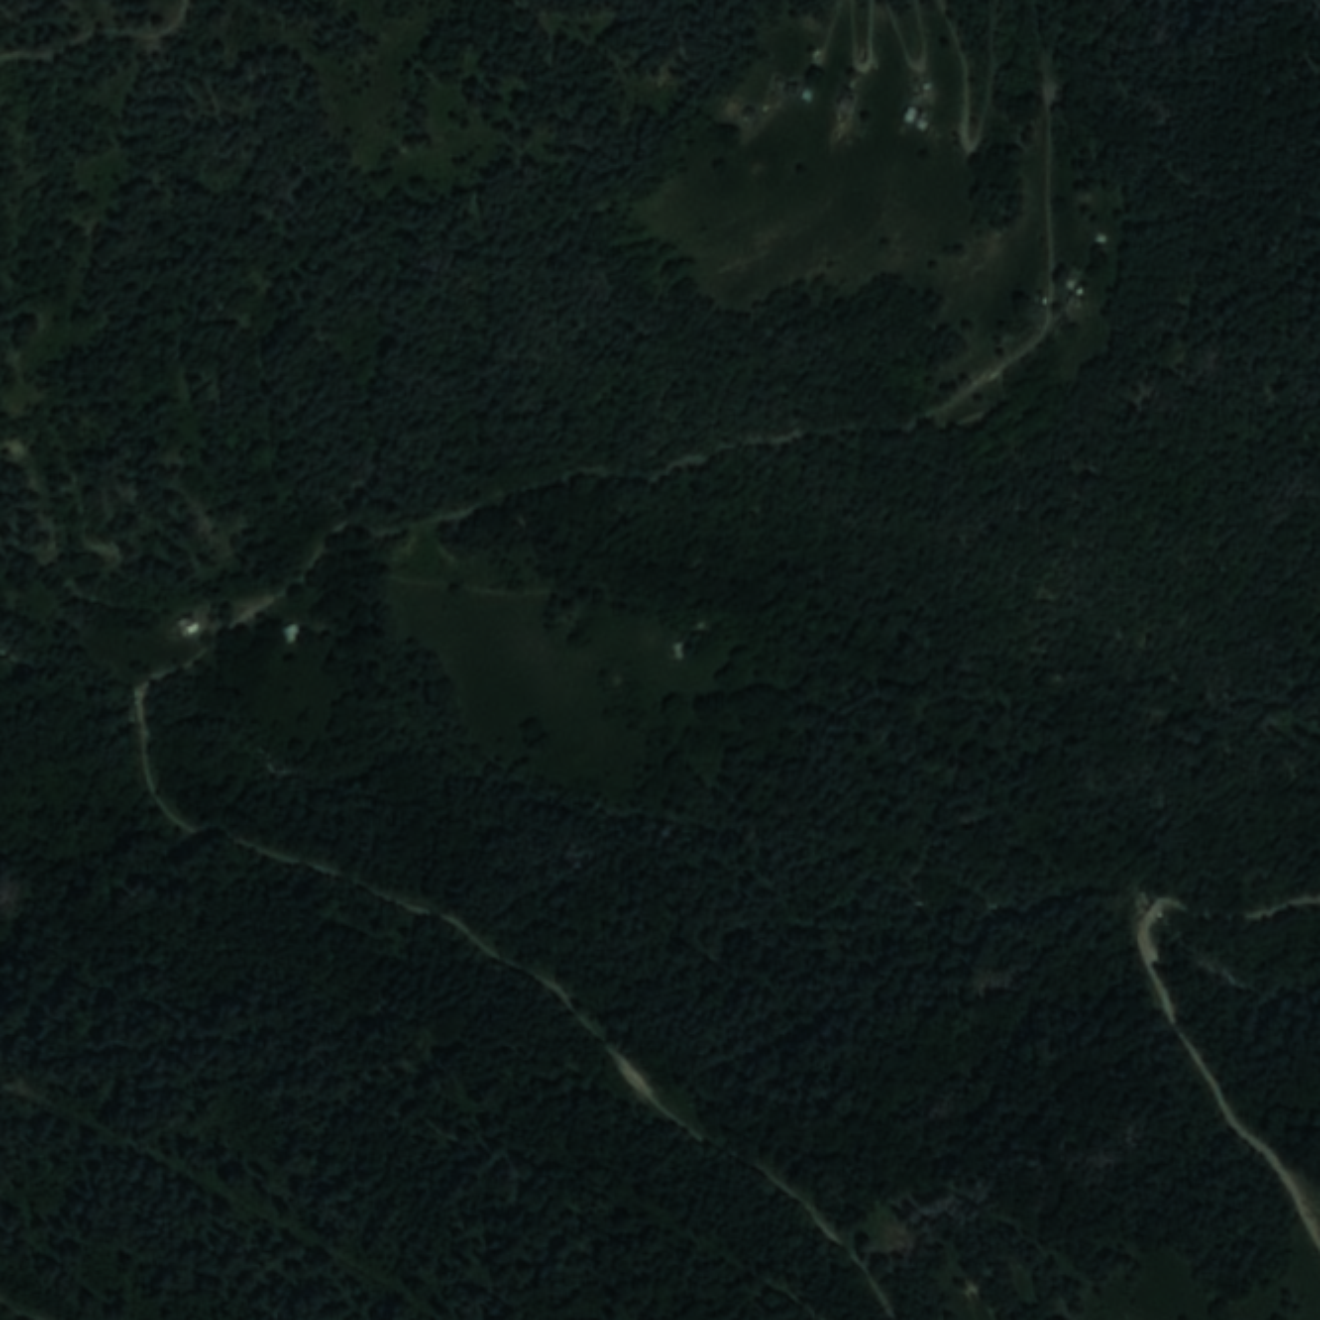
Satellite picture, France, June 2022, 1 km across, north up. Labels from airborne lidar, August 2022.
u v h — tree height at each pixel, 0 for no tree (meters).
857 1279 19
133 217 21
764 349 17
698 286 17
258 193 9
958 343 19
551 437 32
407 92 11
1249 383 25
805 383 21
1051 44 20
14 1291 8
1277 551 22
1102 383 23
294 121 21
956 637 19
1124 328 18
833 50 0
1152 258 22
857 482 13
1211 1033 25
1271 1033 22
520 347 24
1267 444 22
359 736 18
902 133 0
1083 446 20
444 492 20
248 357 24
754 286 0
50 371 11
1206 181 21
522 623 0
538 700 0
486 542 22
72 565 16
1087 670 29
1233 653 21
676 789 18
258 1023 18
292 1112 30
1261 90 24
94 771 13
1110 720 26
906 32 0
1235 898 17
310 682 0
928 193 0
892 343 18
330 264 19
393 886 10
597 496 15
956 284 0
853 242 0
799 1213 20
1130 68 19
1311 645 8
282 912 11
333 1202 32
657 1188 27
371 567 20
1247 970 26
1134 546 14
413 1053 26
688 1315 20
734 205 0
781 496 17
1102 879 19
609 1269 24
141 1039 31
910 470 23
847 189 0
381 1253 11
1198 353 28
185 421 7
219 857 31
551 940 19
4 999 7
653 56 23
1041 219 0
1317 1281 0
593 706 0
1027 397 7
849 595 23
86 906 20
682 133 12
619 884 16
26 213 13
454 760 13
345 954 24
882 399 18
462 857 17
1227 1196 16
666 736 8
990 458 14
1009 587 17
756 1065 36
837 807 27
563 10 27
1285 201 21
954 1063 25
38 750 15
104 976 9
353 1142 17
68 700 22
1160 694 22
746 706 26
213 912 13
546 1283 28
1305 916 20
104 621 15
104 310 13
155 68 17
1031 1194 29
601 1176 21
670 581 15
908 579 22
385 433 17
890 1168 28
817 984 34
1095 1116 31
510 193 24
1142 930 0
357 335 8
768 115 0
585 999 18
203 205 32
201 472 15
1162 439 19
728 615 20
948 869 20
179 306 6
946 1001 29
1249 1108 22
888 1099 27
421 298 29
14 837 7
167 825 15
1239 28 19
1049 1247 31
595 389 20
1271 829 18
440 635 0
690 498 16
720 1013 34
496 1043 25
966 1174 31
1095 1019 21
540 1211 19
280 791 16
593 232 19
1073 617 15
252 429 14
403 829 18
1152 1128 19
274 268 23
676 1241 6
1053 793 31
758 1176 23
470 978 25
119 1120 31
